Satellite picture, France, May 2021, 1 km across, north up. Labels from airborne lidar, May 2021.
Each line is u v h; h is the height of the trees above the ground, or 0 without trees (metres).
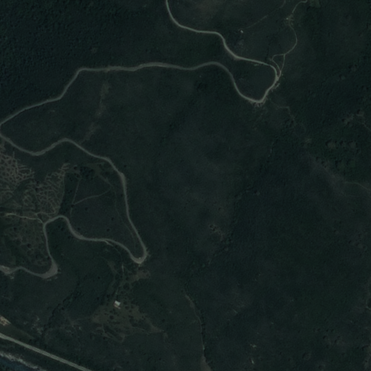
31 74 7
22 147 0
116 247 7
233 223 8
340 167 12
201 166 0
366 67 6
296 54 0
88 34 9
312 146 6
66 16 9
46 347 12
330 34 8
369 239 5
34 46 11
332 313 6
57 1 9
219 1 0
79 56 7
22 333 0
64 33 10
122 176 0
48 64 9
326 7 6
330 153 7
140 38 7
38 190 12
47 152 7
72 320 0
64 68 7
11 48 12
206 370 0
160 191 6
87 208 11
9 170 0
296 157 6
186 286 9
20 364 0
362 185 0
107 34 7
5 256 0
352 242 11
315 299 9
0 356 0
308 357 12
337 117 5
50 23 17
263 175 6
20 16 8
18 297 6
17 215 0
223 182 5
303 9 0
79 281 9
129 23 7
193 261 10
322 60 7
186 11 0
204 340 7
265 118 9
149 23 5
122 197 7
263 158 6
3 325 0
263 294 6
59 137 6
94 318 0
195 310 0
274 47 0
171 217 6
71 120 6
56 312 15
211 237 6
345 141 9
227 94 6
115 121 6
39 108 11
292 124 11
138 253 0
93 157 6
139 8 10
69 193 13
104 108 0
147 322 0
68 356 6
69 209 9
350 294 7
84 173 11
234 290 0
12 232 0
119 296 6
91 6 10
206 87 16
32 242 0
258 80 0
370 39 7
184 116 6
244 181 6
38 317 0
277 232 6
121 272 6
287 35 0
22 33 8
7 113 7
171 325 7
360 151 9
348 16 11
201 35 6
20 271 9
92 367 6
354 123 6
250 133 6
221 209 12
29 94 7
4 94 8
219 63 0
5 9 9
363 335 10
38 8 13
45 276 0
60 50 7
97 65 6
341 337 9
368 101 6
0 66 10
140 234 8
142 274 0
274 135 6
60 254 7
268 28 0
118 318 0
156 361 10
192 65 7
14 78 10
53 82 6
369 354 0
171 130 7
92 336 10
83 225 0
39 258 7
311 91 15
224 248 13
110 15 14
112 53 6
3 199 0
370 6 9
